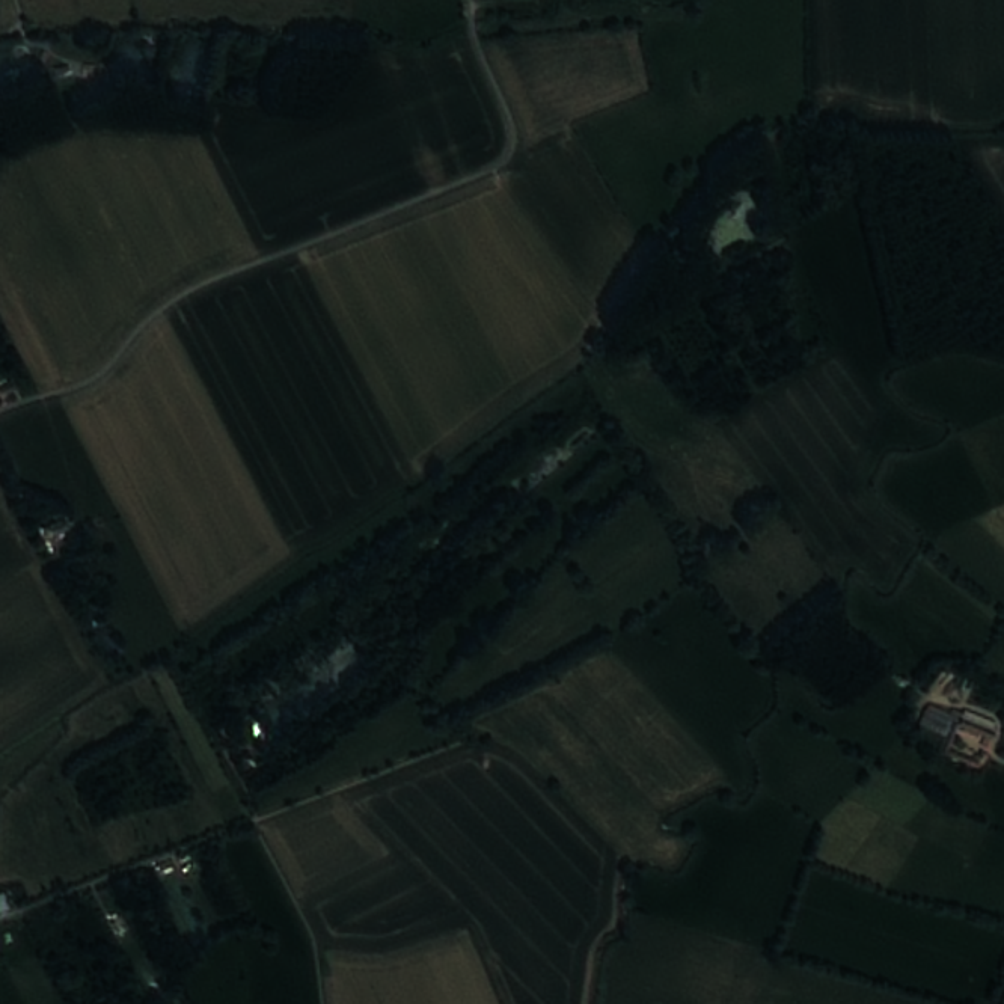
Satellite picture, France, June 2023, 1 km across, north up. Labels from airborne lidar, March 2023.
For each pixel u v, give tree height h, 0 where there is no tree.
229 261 0
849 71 0
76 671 0
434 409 0
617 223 0
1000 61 0
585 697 0
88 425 0
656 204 0
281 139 0
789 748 0
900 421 0
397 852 0
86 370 0
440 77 0
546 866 0
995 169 0
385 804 0
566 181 0
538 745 0
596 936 0
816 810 0
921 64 0
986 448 0
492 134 0
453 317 0
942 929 0
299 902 0
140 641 0
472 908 0
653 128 0
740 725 0
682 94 0
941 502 0
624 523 0
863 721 0
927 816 0
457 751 0
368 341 0
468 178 0
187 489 0
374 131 0
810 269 0
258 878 0
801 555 0
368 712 8
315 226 0
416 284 0
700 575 17
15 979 0
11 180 0
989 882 0
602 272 0
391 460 0
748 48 0
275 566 0
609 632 12
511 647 0
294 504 0
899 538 0
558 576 0
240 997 0
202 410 0
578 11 0
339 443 0
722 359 14
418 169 0
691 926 0
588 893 0
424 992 0
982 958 0
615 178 0
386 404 0
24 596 0
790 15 0
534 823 0
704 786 0
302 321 0
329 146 0
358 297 0
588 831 0
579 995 0
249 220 0
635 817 0
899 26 0
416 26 0
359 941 0
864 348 0
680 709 0
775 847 0
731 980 0
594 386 0
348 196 0
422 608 29
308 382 0
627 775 0
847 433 0
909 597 0
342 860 0
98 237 0
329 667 0
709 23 0
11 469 19
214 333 0
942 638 0
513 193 0
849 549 0
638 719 0
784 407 0
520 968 0
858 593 0
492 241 0
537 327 0
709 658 0
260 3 0
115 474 0
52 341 0
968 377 0
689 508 0
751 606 0
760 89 0
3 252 0
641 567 0
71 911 9
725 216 0
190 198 0
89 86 0
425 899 0
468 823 0
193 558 0
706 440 0
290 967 0
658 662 0
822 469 0
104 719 0
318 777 0
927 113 0
